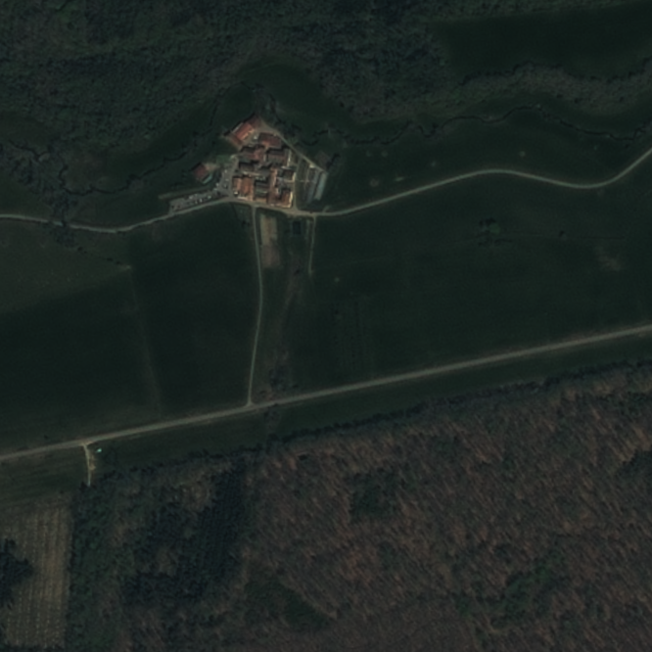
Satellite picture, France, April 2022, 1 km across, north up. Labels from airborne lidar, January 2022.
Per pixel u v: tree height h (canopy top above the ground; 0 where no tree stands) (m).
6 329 0
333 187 0
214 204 0
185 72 9
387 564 26
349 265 0
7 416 0
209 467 21
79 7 22
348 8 12
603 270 0
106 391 0
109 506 20
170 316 0
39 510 0
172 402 0
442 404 0
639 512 13
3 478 0
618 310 0
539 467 17
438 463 25
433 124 0
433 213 0
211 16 22
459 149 0
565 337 0
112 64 17
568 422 25
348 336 0
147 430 0
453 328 0
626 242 0
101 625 27
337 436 22
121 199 0
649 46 0
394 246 0
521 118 0
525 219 0
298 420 0
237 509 17
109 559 24
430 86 12
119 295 0
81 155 0
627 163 0
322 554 28
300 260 0
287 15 20
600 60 0
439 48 21
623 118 0
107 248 0
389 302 0
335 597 27
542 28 0
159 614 28
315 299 0
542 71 18
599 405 21
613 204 0
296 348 0
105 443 0
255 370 0
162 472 20
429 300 0
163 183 0
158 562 21
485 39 0
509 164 0
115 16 15
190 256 0
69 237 12
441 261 0
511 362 0
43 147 0
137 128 18
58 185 20
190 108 18
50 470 0
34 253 0
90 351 0
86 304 0
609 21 0
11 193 0
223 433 0
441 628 18
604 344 0
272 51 19
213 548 17
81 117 16
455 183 0
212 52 10
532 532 26
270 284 0
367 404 0
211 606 23
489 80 19
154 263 0
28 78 7
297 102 0
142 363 0
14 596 17
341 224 0
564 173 0
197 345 0
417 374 0
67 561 0
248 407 0
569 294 0
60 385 0
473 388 0
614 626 21
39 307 0
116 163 0
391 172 0
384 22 6
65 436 0
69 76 12
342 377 0
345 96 15
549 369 0
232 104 0
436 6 19
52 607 0
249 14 25
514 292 0
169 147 0
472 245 0
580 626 30
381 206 0
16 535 0
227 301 0
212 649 21
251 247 0
